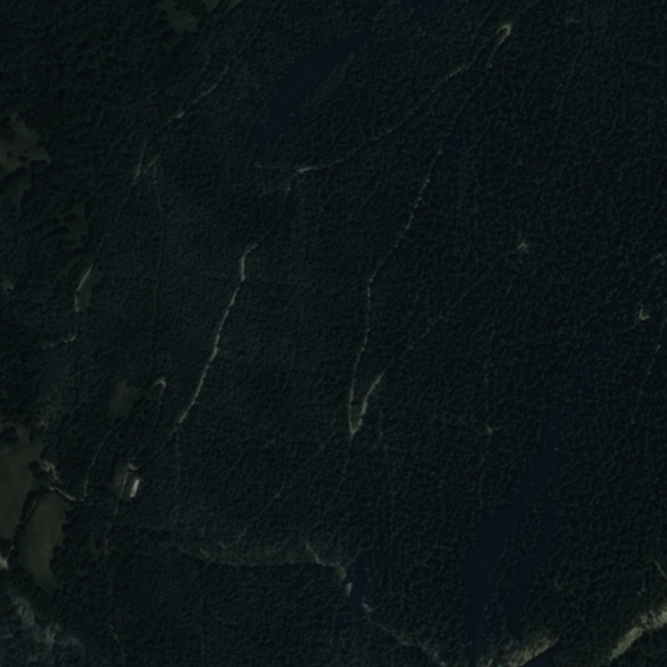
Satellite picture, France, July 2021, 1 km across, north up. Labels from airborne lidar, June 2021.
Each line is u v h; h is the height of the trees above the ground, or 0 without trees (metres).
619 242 23
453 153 15
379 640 19
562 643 19
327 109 18
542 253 19
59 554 13
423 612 14
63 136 17
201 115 13
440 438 8
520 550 28
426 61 19
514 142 29
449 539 23
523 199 9
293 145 14
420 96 22
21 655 7
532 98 13
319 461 10
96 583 11
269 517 18
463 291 13
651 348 18
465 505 17
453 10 14
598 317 13
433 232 12
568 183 32
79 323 10
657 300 27
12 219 15
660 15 12
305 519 12
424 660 13
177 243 12
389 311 12
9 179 16
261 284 10
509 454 8
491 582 6
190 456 11
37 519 0
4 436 13
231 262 6
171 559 10
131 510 9
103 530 13
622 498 19
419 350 11
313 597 17
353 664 11
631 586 21
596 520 9
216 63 11
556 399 14
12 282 9
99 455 14
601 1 17
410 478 10
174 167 24
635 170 17
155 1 16
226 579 16
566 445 20
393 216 21
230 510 10
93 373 11
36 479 11
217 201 11
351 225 17
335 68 10
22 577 17
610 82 27
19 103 18
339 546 12
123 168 17
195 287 10
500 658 8
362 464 17
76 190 24
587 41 15
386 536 17
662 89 15
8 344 18
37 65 22
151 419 14
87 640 7
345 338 21
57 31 17
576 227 25
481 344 12
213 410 8
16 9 24
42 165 13
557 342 28
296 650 22
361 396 6
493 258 9
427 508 23
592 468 21
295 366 12
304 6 16
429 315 13
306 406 9
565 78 20
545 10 13
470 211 21
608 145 14
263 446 13
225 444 8
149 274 13
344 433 8
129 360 12
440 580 18
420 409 13
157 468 12
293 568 16
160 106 22
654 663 21
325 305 15
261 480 11
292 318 14
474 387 13
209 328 9
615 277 8
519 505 16
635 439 35
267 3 10
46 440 9
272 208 19
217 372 10
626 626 12
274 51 12
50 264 8
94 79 25
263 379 14
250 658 13
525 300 29
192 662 14
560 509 26
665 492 18
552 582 9
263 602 14
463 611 20
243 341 12
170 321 9
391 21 11
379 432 10
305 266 10
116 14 21
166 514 6
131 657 9
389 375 7
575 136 14
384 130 21
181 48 17
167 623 21
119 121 18
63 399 6
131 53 28
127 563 16
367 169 20
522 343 24
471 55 11
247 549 9
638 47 27
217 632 7
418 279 19
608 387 22
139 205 11
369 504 18
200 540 10
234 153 10
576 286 10
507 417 18
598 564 21
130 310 11
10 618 8
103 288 14
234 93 13
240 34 16
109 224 15
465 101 17
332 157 22
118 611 13
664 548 7
